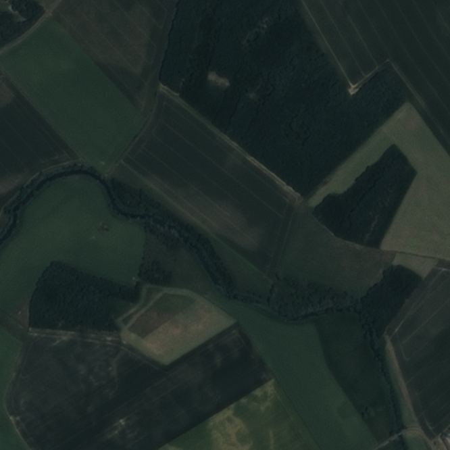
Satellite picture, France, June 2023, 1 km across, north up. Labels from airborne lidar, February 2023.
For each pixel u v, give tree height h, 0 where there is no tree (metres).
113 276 0
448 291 0
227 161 0
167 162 0
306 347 0
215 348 0
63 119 0
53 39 0
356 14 0
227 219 0
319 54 15
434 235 0
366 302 23
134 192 5
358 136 19
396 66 0
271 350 0
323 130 19
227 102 7
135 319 0
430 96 0
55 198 0
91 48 0
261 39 15
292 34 11
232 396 0
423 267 0
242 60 8
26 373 0
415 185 0
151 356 0
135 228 0
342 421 0
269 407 0
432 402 0
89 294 19
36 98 0
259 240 0
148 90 0
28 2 19
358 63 0
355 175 0
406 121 0
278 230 0
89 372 0
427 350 0
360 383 0
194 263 0
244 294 0
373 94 20
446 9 0
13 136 0
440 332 0
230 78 15
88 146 0
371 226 19
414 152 0
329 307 27
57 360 0
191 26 20
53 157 0
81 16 0
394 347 0
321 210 12
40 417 0
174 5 0
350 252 0
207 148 0
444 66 0
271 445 0
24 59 0
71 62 0
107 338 0
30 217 0
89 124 0
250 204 0
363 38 0
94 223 0
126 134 0
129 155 0
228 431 0
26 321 0
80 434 0
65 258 0
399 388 0
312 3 0
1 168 0
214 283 0
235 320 0
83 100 0
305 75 15
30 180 0
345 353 0
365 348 0
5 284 0
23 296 0
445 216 0
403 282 11
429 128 0
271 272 0
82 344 0
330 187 0
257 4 14
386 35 0
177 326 0
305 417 0
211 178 0
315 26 0
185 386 0
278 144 22
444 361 0
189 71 17
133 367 0
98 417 0
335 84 11
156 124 0
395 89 17
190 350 0
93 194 0
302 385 0
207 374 0
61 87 0
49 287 15
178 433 0
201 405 0
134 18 0
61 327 0
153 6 0
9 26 16
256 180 0
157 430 0
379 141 0
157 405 0
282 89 18
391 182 21
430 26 0
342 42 0
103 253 0
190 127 0
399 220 0
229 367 0
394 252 0
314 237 0
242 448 0
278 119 19
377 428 0
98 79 0
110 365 0
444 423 0
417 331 0
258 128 18
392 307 18
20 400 0
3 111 0
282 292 0
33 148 0
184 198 0
